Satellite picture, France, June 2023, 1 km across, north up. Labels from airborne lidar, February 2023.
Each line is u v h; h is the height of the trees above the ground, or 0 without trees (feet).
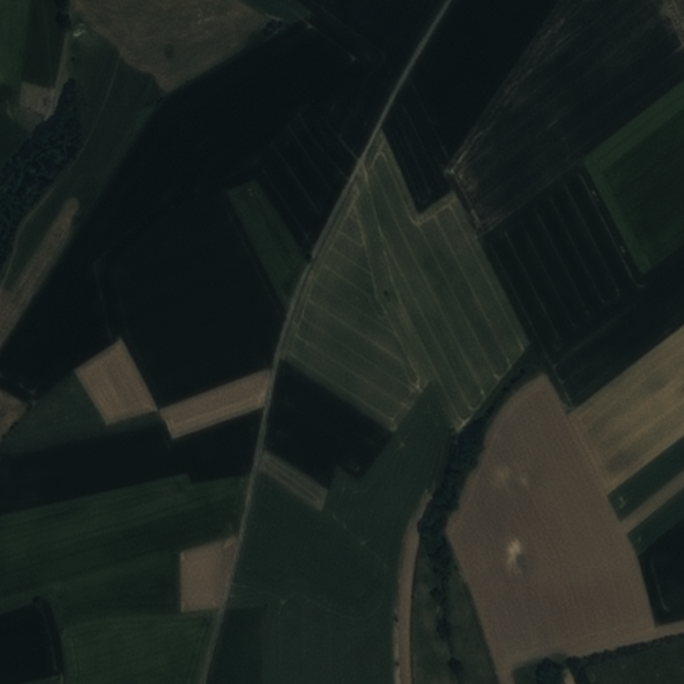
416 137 0
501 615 0
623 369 0
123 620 0
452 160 0
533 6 0
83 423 0
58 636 0
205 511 0
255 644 0
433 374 0
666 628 0
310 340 0
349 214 0
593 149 0
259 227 0
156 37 0
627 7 0
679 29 0
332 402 0
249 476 0
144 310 0
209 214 0
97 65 0
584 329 0
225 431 0
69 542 0
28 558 0
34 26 0
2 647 0
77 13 0
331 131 0
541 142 0
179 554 0
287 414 0
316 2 0
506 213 0
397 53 0
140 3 0
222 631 0
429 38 0
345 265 0
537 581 0
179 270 0
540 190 0
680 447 0
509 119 0
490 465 0
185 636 0
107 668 0
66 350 0
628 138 0
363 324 0
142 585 0
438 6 0
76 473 0
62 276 0
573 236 0
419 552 0
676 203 0
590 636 0
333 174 0
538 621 0
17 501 0
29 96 0
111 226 0
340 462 0
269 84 0
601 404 0
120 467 0
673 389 0
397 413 0
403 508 0
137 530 0
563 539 0
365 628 0
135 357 0
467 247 0
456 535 0
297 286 0
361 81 0
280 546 0
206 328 0
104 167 0
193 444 0
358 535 0
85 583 0
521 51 0
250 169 0
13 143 0
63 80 0
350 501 0
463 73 0
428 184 0
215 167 0
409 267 0
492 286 0
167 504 0
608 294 0
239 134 0
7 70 0
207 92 0
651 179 0
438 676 0
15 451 0
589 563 0
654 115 0
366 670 0
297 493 0
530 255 0
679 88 0
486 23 0
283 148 0
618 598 0
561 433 0
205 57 0
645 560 0
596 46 0
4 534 0
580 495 0
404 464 0
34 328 0
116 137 0
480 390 0
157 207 0
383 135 0
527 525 0
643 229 0
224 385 0
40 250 0
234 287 0
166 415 0
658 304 0
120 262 0
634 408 0
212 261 0
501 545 0
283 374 0
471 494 0
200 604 0
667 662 0
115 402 0
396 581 0
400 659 0
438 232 0
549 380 0
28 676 0
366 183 0
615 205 0
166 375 0
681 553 0
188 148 0
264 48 0
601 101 0
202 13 0
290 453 0
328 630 0
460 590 0
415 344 0
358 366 0
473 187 0
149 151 0
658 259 0
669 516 0
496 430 0
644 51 0
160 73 0
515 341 0
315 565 0
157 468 0
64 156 64
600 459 0
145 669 0
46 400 0
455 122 0
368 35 0
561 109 0
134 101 0
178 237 0
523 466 0
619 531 0
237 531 0
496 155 0
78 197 0
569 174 0
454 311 0
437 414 0
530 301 0
